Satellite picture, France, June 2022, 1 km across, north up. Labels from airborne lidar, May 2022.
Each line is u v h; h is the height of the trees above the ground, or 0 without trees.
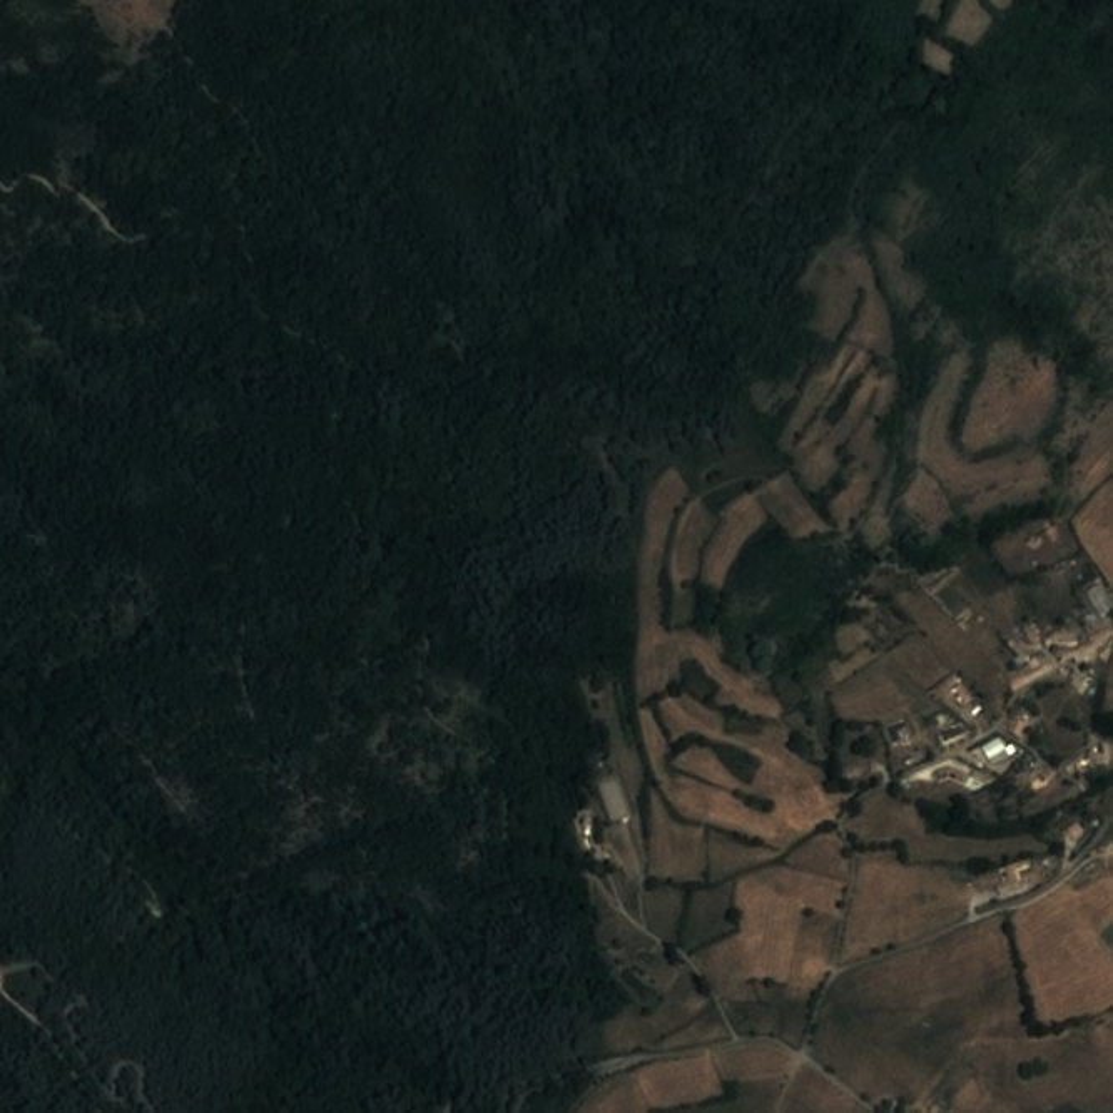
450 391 7
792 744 11
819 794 0
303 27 8
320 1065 18
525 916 10
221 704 8
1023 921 0
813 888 0
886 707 0
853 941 0
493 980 19
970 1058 0
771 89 10
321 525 11
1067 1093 0
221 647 11
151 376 7
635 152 8
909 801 8
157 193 13
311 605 8
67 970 15
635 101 11
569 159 9
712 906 0
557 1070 8
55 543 9
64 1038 7
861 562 11
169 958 19
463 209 12
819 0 5
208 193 8
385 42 13
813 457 0
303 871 7
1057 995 0
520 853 13
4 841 17
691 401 7
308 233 13
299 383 12
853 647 0
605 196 14
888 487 0
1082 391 0
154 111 13
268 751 8
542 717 10
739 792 7
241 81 10
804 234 8
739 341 7
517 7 17
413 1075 10
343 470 10
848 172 7
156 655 14
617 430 5
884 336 0
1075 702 0
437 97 20
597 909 8
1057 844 7
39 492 15
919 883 0
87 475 17
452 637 8
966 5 0
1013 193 7
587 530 13
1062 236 0
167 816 7
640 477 13
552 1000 19
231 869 16
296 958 16
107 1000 16
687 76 13
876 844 7
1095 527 0
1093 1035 0
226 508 11
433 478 11
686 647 0
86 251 11
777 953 0
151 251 8
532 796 12
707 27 6
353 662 6
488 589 16
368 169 11
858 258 0
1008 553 0
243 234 7
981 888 0
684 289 13
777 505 0
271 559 9
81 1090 15
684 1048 0
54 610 15
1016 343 0
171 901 13
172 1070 17
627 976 0
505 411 19
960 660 0
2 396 11
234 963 10
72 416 11
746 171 7
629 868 0
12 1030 7
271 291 13
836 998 0
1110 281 0
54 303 9
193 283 9
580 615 17
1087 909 0
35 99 9
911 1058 0
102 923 16
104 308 9
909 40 7
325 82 15
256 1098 14
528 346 10
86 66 8
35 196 8
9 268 9
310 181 15
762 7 6
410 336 11
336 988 11
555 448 13
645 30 9
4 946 10
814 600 0
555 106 9
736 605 0
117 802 7
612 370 15
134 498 17
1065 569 0
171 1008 16
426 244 14
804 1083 0
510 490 7
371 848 12
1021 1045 0
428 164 12
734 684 0
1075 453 8
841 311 0
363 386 12
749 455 0
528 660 16
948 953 0
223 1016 9
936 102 18
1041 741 9
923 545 17
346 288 7
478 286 14
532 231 14
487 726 6
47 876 15
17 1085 22
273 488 14
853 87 8
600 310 18
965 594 0
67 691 19
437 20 15
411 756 9
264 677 10
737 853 0
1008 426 0
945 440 0
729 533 0
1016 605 0
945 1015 0
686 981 0
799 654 8
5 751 16
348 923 20
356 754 9
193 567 18
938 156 7
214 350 10
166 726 11
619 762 0
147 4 0
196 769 7
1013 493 0
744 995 0
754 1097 0
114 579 16
